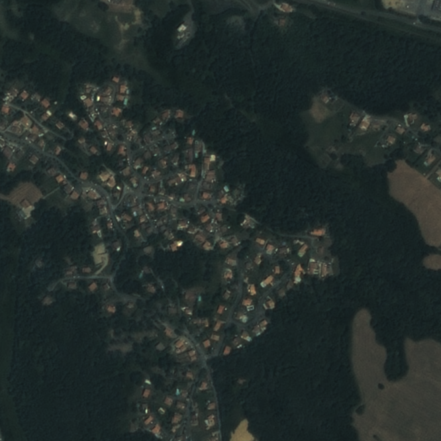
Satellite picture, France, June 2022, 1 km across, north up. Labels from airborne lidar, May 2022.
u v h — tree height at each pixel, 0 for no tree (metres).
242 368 22
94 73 17
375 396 0
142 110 9
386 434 0
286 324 29
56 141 11
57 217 27
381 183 21
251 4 0
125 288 18
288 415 18
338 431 13
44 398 27
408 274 24
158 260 21
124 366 22
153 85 19
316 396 29
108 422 25
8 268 18
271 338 25
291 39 10
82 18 0
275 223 18
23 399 23
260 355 25
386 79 17
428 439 0
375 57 12
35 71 17
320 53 20
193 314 13
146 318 16
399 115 0
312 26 17
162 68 6
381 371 0
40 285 17
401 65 19
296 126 24
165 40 14
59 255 19
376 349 0
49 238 23
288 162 26
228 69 23
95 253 0
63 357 29
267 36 9
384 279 24
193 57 12
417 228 13
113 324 21
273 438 27
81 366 29
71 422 25
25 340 29
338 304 22
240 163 30
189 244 20
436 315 33
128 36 0
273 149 23
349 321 10
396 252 21
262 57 15
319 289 23
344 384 15
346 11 0
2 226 16
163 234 13
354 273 30
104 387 28
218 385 19
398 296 28
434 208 0
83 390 23
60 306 23
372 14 0
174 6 19
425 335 15
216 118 15
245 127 23
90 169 9
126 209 7
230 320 0
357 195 25
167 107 15
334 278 8
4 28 0
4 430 9
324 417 26
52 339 28
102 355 24
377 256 21
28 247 18
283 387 27
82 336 25
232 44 12
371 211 25
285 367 21
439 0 0
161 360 19
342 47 13
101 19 0
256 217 12
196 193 0
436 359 0
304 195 18
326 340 27
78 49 16
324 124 0
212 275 18
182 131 19
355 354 0
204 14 27
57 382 18
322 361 28
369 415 0
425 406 0
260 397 30
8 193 11
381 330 17
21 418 20
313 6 9
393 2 0
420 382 0
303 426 24
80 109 21
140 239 0
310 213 27
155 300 21
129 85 0
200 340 10
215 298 19
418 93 21
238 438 0
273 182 19
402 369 13
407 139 0
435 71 22
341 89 20
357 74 11
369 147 0
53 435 19
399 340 17
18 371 22
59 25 16
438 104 19
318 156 0
